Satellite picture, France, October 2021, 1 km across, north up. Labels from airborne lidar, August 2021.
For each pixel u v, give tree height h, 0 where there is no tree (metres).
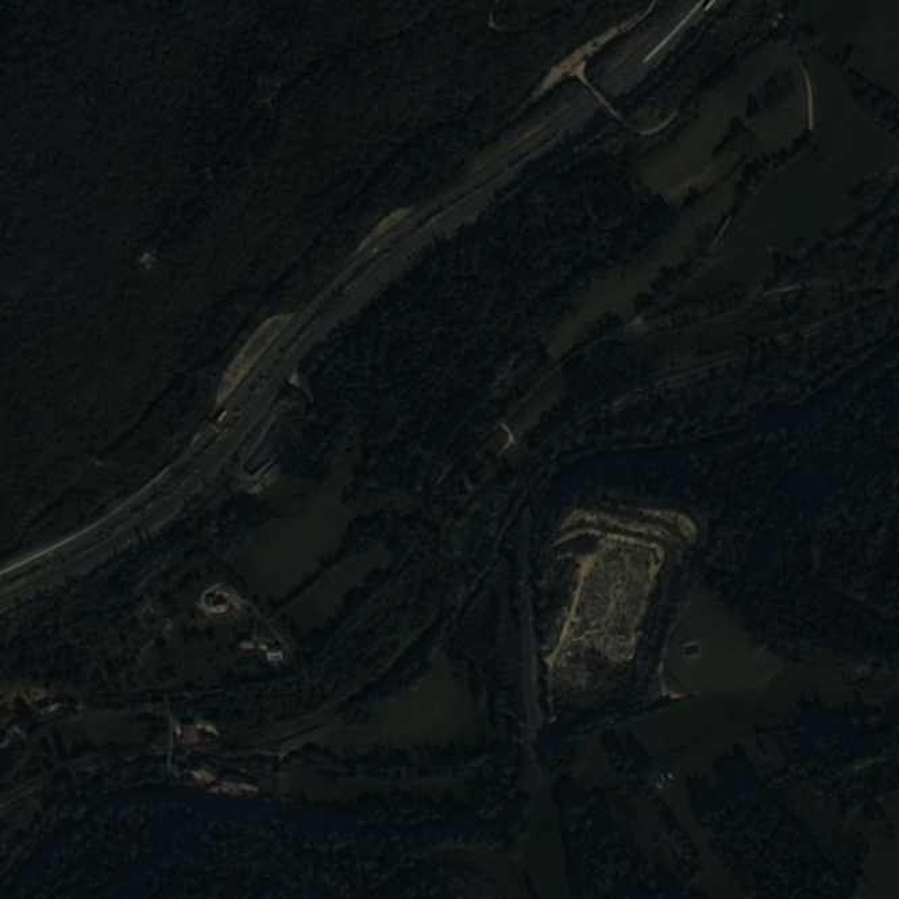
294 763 9
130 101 16
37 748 0
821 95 0
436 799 0
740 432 0
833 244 16
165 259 12
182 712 6
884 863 0
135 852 10
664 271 0
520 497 13
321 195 16
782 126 0
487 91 14
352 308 0
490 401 6
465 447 26
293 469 21
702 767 0
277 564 0
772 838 27
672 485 8
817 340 7
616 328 17
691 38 7
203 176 22
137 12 16
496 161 0
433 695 0
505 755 16
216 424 0
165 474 0
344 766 7
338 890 17
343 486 0
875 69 0
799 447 9
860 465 9
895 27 0
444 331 23
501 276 26
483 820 23
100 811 21
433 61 7
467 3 13
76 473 9
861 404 9
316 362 7
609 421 6
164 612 7
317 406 17
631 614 0
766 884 33
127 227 7
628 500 13
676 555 0
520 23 14
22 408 6
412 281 12
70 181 10
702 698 0
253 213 14
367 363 15
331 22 17
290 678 13
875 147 0
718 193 0
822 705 0
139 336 12
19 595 0
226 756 9
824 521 22
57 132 6
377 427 24
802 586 18
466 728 0
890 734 8
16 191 13
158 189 11
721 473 12
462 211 0
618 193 26
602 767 0
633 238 24
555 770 19
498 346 8
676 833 21
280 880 12
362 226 11
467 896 0
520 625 12
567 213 19
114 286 8
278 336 0
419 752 0
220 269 10
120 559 11
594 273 24
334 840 23
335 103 16
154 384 12
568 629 0
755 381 21
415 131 8
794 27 11
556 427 18
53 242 10
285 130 16
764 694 0
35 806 0
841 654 20
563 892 0
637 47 0
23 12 12
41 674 7
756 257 0
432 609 15
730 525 7
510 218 20
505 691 22
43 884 19
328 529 0
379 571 0
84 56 12
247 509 14
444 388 14
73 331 9
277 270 11
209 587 0
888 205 16
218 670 0
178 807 12
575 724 9
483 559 17
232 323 16
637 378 15
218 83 14
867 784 7
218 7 11
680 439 18
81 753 12
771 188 0
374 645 15
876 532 14
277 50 16
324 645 17
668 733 0
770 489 8
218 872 21
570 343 0
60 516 13
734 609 23
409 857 9
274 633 0
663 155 0
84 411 8
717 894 0
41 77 15
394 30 12
